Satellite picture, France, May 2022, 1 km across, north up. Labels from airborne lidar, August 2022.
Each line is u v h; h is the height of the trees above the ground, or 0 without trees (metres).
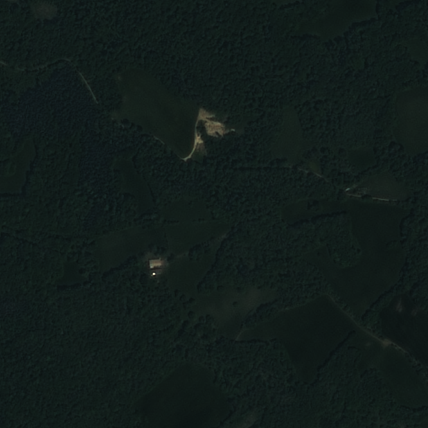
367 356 0
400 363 0
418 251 15
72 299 15
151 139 14
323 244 13
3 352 18
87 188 23
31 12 18
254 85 23
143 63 17
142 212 0
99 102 13
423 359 0
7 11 21
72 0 15
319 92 19
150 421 0
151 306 9
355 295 0
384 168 11
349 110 12
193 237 0
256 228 18
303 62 24
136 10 18
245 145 18
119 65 15
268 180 19
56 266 19
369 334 0
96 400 24
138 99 0
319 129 20
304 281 20
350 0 0
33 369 17
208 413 0
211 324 19
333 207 0
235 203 26
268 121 9
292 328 0
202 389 0
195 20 21
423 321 0
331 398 10
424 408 10
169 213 0
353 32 19
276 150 0
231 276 21
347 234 21
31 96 20
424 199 18
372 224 0
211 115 0
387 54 19
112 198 20
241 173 23
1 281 16
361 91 20
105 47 23
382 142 23
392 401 15
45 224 21
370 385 14
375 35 18
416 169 22
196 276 0
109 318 18
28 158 0
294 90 21
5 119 20
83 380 19
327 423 14
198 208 0
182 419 0
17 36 22
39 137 19
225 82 20
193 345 17
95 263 17
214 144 12
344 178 19
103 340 20
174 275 0
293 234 25
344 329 0
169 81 20
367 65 12
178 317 14
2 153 23
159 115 0
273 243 15
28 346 20
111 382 18
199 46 17
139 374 18
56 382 18
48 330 22
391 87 21
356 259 11
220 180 16
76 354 21
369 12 0
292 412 15
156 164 20
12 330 20
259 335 0
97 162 20
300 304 13
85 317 17
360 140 20
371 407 10
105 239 0
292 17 21
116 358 19
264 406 16
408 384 0
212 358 16
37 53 17
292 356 0
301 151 0
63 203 24
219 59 18
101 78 14
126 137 20
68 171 14
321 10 22
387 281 0
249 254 19
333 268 0
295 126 0
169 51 17
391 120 19
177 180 9
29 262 22
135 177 0
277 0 0
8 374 16
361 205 0
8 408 18
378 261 0
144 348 21
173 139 0
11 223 19
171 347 22
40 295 24
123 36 21
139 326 24
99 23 26
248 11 22
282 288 16
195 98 21
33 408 13
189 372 0
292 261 16
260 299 0
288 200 15
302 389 24
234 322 0
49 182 18
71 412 17
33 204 24
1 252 24
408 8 21
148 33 17
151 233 0
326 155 10
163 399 0
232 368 8
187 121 0
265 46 21
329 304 0
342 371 11
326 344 0
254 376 15
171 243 0
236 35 17
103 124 23
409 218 9
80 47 15
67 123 16
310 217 0
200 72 18
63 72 21
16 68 23
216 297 0
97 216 23
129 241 0
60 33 19
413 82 19
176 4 18
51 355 17
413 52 0
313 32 0
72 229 25
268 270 20
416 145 0
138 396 16
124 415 19
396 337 0
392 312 0
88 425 18
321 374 11
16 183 0
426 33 21
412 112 0
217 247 0
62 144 17
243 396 11
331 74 21
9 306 22
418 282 22
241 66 16
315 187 16
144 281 19
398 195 0
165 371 20
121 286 23
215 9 15
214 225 0
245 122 0
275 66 16
